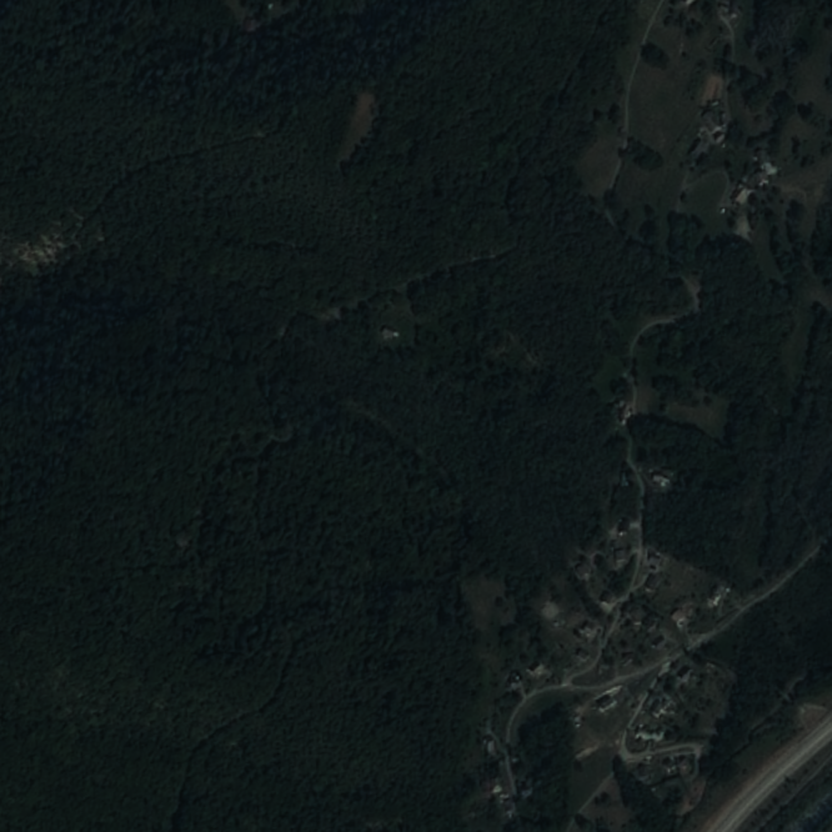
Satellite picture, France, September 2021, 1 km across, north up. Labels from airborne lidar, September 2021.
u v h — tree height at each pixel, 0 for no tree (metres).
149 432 27
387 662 9
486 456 26
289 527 19
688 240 22
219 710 12
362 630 12
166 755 26
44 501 30
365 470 10
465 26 22
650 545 12
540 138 12
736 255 18
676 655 0
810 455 12
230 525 24
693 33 13
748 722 11
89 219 20
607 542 10
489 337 20
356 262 20
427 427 16
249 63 22
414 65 21
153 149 15
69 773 24
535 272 17
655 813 15
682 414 0
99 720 19
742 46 0
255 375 15
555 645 0
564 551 18
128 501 23
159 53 11
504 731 0
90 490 28
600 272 14
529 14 15
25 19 18
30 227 21
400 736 24
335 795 26
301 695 16
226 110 17
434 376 15
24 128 23
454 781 17
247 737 13
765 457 12
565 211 24
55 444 30
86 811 25
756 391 24
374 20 7
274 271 18
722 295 12
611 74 22
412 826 17
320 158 21
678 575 0
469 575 17
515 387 24
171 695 14
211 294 22
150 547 25
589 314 25
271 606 16
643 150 13
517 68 23
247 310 16
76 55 24
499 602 8
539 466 18
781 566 9
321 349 14
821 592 6
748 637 8
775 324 19
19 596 26
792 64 13
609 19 21
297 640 8
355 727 20
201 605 9
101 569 26
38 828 23
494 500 19
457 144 25
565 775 25
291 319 15
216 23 20
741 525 18
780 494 17
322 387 10
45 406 22
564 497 19
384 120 11
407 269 15
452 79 19
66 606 23
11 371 25
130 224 19
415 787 18
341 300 15
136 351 30
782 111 21
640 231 0
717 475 6
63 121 17
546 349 15
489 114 27
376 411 25
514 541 18
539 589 19
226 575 22
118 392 17
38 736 26
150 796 24
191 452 21
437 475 7
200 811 27
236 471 15
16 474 32
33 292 23
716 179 0
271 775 24
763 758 0
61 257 17
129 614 25
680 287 11
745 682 18
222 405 29
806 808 13
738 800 0
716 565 12
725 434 0
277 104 16
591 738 0
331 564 15
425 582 6
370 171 26
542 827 22
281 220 14
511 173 30
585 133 26
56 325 29
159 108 23
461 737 21
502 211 22
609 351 17
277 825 21
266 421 16
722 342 18
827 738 0
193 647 23
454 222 25
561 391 27
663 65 17
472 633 25
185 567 14
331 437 9
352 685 28
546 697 0
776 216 12
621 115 11
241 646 11
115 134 18
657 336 8
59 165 24
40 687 14
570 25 20
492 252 7
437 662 21
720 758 14
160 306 26
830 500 16
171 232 26
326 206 11
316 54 19
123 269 24
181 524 26
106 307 31
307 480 20
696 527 22
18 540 25
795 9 22
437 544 15
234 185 21
